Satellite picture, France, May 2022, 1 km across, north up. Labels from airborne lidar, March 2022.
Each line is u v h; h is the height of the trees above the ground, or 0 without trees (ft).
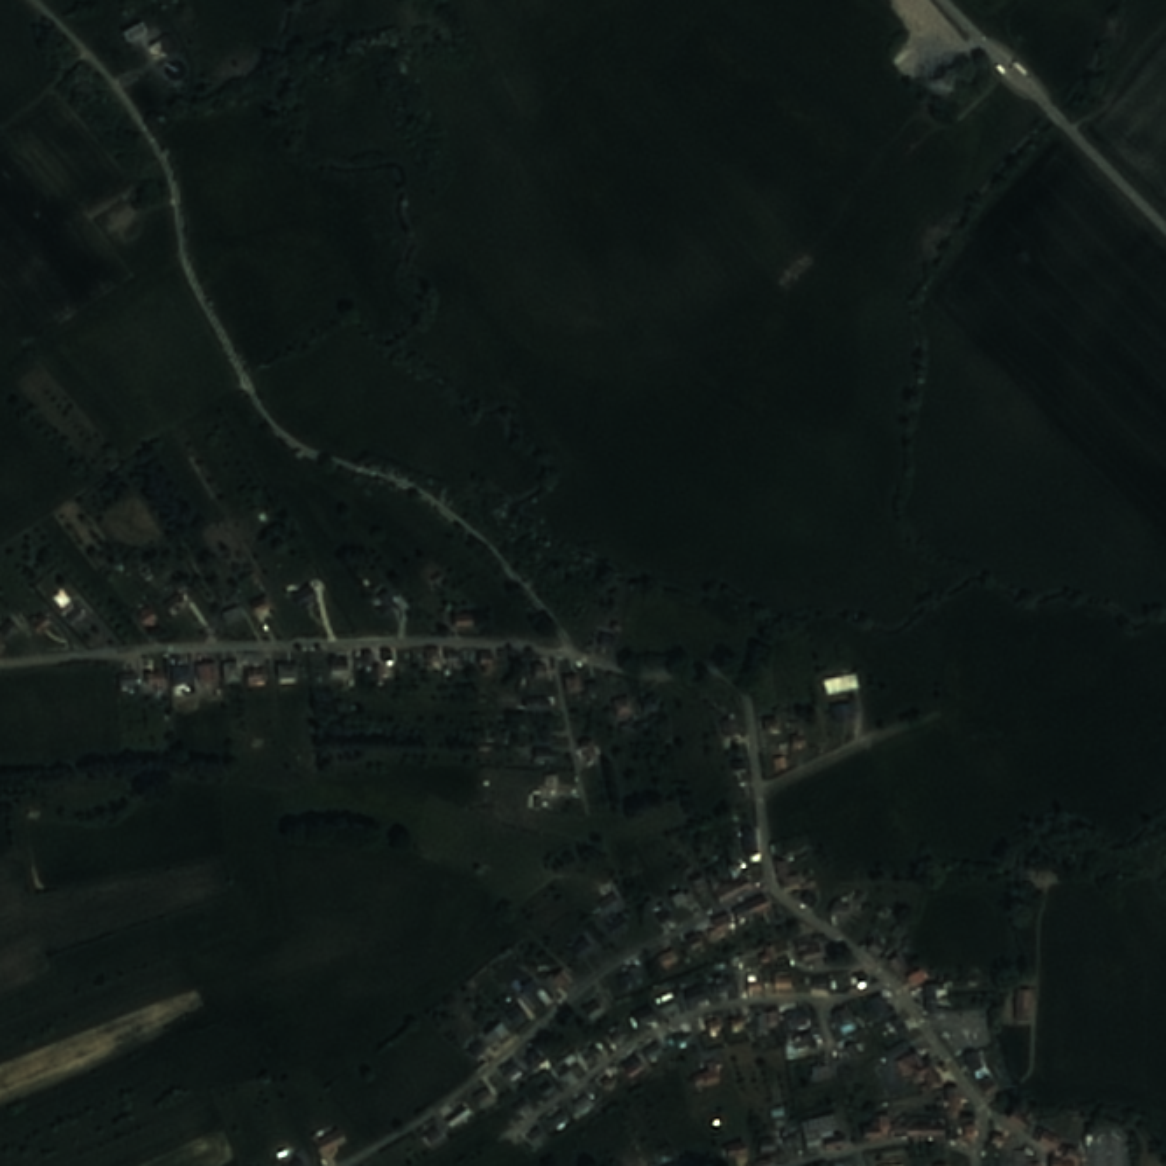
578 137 0
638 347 0
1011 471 0
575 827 0
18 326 0
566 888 0
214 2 0
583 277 0
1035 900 27
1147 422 0
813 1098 0
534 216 0
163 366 0
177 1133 0
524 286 0
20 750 0
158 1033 0
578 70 0
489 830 0
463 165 0
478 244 0
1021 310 0
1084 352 0
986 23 0
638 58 0
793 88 0
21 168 0
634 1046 0
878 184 0
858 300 0
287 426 0
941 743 0
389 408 0
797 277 0
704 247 0
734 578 0
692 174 0
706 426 0
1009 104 0
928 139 0
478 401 20
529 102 0
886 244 0
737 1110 0
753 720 0
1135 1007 0
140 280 0
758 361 0
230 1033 0
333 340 0
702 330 0
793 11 0
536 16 0
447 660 0
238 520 0
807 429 0
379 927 0
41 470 0
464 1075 0
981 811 0
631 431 0
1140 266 0
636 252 0
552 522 0
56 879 0
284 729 0
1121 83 0
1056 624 0
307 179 0
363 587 37
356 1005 0
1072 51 0
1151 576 0
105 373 0
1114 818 0
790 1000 0
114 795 0
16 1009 0
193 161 0
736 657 43
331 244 0
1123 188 0
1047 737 0
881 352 0
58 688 0
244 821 0
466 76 0
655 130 0
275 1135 0
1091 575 0
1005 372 0
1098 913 0
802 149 0
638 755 21
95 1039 0
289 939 0
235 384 0
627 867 0
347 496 0
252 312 0
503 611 0
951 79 0
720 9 0
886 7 0
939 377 0
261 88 20
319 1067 0
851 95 0
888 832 0
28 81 0
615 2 0
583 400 0
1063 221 0
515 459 0
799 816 0
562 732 0
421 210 0
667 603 0
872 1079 0
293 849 0
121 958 0
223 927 0
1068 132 0
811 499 0
